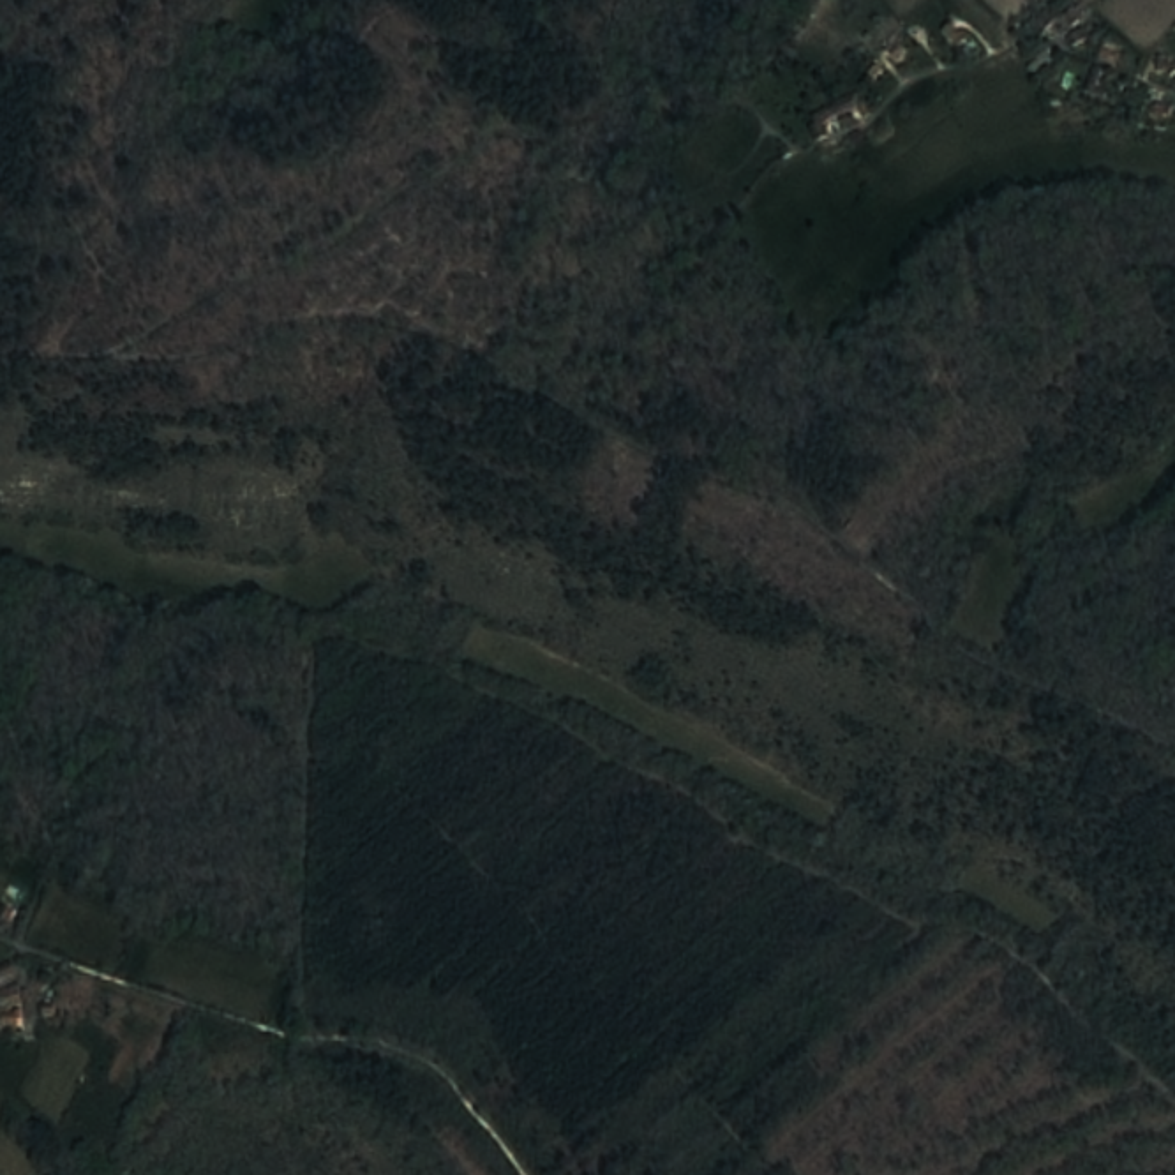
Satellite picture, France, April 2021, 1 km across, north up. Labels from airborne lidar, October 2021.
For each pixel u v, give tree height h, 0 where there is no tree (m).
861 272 0
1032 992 8
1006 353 20
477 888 11
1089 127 7
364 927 16
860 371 21
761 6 23
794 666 0
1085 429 25
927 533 18
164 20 9
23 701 19
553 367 19
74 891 14
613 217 20
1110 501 0
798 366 23
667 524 19
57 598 22
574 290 20
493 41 21
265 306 7
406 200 7
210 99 23
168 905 15
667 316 13
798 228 0
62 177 14
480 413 17
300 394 15
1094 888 11
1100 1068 19
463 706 11
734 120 0
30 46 13
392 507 14
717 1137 11
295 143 10
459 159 17
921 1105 19
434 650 18
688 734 0
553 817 11
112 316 8
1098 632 22
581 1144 14
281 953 16
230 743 13
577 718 21
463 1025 15
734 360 19
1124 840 23
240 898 18
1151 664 24
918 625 18
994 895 0
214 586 0
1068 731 19
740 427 19
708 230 17
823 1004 11
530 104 18
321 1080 18
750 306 21
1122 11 0
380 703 10
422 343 11
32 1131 13
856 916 8
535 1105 12
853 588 8
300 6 22
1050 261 20
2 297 19
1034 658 17
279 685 20
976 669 15
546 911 10
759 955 11
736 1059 12
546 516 22
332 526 18
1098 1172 21
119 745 26
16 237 15
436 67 6
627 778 7
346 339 15
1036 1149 21
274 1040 8
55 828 13
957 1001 0
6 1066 0
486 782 12
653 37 20
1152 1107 12
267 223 14
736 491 16
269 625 24
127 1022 0
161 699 21
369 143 11
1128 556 24
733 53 20
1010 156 0
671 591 20
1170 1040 8
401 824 13
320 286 10
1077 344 12
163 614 16
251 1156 18
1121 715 15
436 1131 7
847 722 7
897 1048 0
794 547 9
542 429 23
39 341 8
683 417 25
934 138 0
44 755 20
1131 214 20
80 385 7
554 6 15
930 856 13
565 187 15
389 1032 16
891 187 0
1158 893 8
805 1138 0
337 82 29
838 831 17
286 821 21
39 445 16
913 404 22
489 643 0
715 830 11
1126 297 17
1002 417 22
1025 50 14
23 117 18
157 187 18
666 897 9
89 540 0
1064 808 8
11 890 0
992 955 8
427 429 24
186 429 11
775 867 6
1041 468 24
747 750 16
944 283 21
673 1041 12
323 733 12
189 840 23
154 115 21
